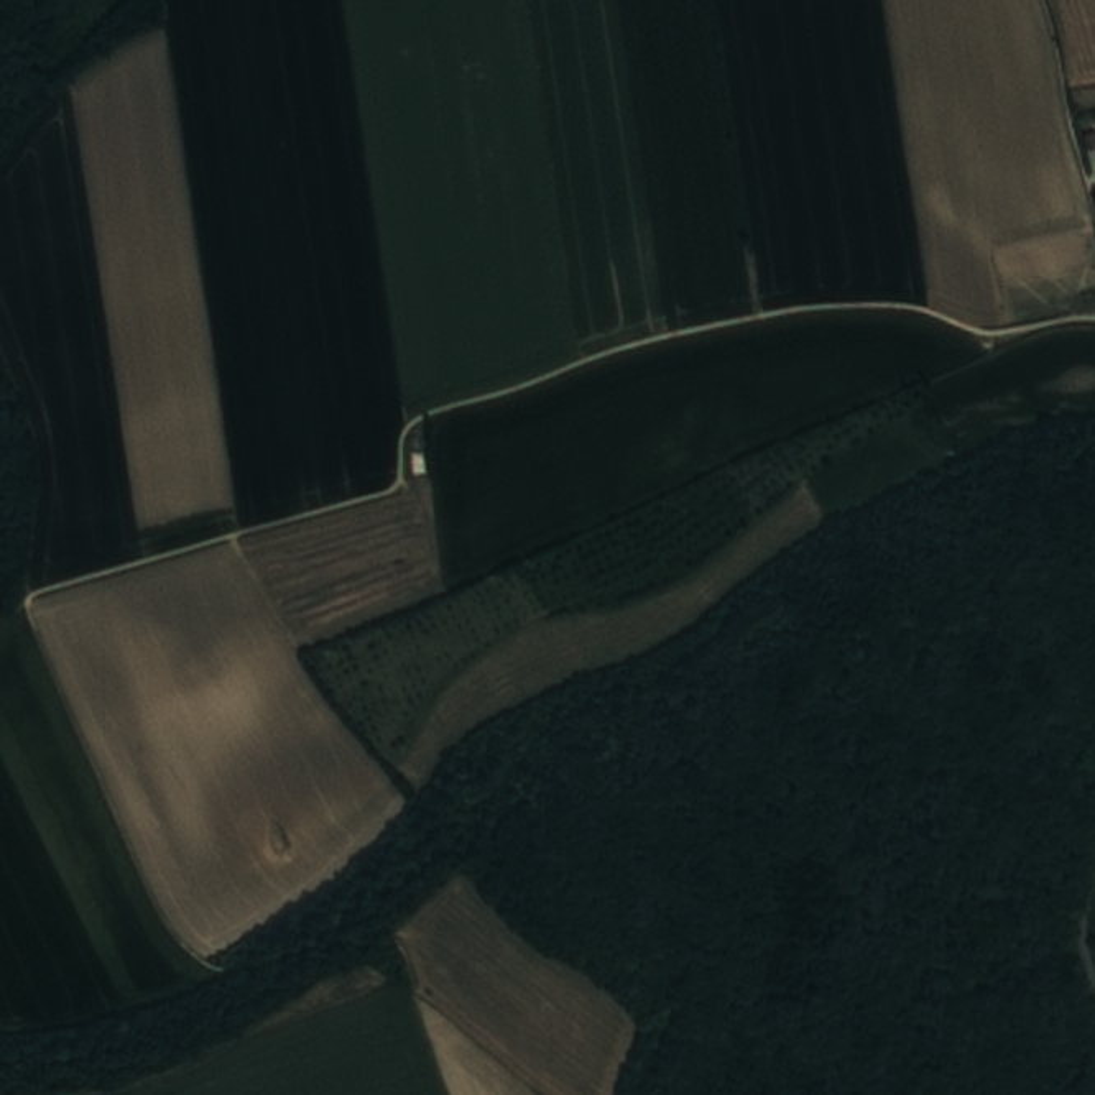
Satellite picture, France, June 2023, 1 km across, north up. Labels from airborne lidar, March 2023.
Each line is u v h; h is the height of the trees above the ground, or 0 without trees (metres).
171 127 0
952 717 22
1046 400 0
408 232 0
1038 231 0
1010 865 19
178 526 0
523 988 0
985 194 0
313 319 0
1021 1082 21
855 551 22
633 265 0
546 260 0
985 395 0
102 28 10
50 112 0
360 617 0
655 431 0
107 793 0
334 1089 0
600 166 0
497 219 0
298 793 0
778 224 0
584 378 0
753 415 0
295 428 0
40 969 0
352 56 0
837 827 22
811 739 21
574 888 19
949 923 23
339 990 0
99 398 0
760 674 22
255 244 0
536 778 13
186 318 0
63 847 0
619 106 0
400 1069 0
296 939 17
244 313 0
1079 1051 19
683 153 0
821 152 0
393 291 0
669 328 0
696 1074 24
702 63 0
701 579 0
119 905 0
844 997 22
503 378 0
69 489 0
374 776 0
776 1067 25
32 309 0
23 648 0
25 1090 8
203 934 0
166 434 0
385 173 0
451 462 0
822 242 0
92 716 0
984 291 0
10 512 20
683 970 20
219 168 0
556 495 0
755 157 0
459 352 0
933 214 0
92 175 0
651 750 22
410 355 0
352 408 0
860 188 0
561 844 22
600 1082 0
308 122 0
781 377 0
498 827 18
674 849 22
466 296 0
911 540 18
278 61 0
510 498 0
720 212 0
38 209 0
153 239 0
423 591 0
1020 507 21
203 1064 0
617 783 18
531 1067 0
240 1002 8
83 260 0
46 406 0
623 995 14
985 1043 22
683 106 0
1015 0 0
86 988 0
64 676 0
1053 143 0
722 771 22
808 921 14
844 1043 22
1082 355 0
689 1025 21
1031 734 18
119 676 0
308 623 0
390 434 0
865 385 0
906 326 0
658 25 0
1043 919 21
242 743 0
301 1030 0
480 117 0
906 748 22
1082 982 17
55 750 0
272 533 0
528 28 0
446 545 0
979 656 25
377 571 0
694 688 21
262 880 0
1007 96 0
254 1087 0
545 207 0
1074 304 0
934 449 0
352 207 0
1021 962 23
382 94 0
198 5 0
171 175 0
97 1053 21
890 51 0
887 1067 24
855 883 17
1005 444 16
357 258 0
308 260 0
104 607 0
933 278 0
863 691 21
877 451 0
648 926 17
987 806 22
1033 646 21
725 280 0
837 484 0
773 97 0
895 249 0
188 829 0
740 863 21
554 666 0
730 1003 25
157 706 0
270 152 0
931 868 23
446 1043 0
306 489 0
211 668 0
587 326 0
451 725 0
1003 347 0
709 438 0
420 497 0
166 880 0
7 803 0
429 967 0
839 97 0
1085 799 23
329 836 0
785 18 0
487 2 0
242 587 0
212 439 0
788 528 0
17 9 24
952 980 25
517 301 0
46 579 0
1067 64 0
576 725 18
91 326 0
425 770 0
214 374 0
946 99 0
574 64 0
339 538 0
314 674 8
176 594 0
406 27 0
